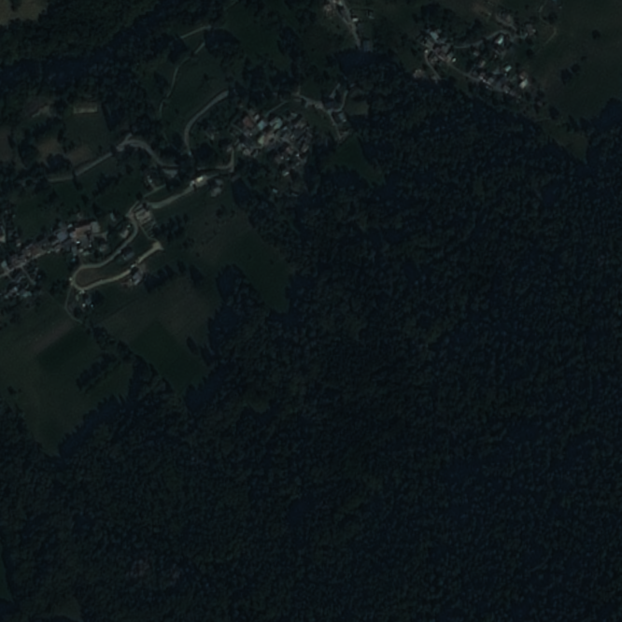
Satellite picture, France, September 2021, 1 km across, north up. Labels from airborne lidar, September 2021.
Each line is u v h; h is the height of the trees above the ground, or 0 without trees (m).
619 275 11
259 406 0
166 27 24
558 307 22
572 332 22
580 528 26
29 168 15
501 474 38
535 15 0
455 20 11
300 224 22
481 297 14
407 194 19
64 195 0
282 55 16
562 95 0
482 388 28
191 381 0
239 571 21
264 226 31
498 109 23
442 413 29
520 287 19
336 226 25
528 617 32
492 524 32
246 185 0
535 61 11
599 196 28
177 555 33
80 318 12
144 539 31
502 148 28
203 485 27
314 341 25
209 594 19
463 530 30
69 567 23
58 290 6
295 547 27
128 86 21
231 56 23
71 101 13
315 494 27
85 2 28
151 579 21
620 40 0
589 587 37
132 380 0
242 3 21
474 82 0
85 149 0
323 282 32
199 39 0
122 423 20
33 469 21
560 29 0
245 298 25
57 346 0
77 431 0
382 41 10
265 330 25
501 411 22
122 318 0
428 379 23
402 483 24
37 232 0
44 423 0
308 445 34
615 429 26
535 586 20
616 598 13
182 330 0
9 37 22
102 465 25
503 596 27
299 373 23
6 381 0
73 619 0
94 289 0
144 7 31
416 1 22
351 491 26
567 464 16
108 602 24
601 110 0
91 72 32
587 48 0
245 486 25
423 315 30
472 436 29
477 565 24
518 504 27
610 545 33
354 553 26
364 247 30
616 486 28
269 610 30
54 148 0
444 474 22
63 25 23
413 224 25
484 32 8
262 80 13
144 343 0
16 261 0
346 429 25
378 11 0
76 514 28
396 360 25
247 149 0
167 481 23
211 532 23
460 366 33
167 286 13
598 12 0
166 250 0
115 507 31
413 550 28
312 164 12
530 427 10
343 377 29
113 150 0
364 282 27
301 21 13
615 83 0
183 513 25
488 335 27
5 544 25
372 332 27
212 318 0
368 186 0
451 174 29
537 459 25
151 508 26
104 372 13
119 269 0
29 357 0
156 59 19
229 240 0
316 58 0
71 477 25
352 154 0
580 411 36
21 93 26
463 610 24
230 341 34
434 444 32
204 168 17
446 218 32
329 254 22
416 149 26
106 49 18
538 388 28
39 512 22
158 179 7
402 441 33
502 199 28
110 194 6
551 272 7
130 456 30
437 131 9
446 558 26
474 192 29
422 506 22
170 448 25
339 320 25
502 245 29
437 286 30
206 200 0
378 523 31
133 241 0
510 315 28
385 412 32
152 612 28
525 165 27
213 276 0
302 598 26
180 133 0
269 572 24
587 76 0
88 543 38
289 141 0
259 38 0
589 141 13
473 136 27
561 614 38
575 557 25
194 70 0
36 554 9
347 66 0
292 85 17
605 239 32
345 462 32
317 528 27
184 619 22
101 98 20
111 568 26
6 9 0
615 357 22
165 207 0
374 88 18
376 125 24
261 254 0
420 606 19
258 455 33
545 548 35
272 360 26
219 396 24
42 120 0
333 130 0
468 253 24
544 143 21
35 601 28
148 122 35
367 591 26
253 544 19
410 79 0
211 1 17
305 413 28
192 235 0
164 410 25
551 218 28
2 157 0
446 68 0
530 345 30
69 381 0
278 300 0
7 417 19
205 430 26
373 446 27
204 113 0
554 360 30
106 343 20
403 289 30
